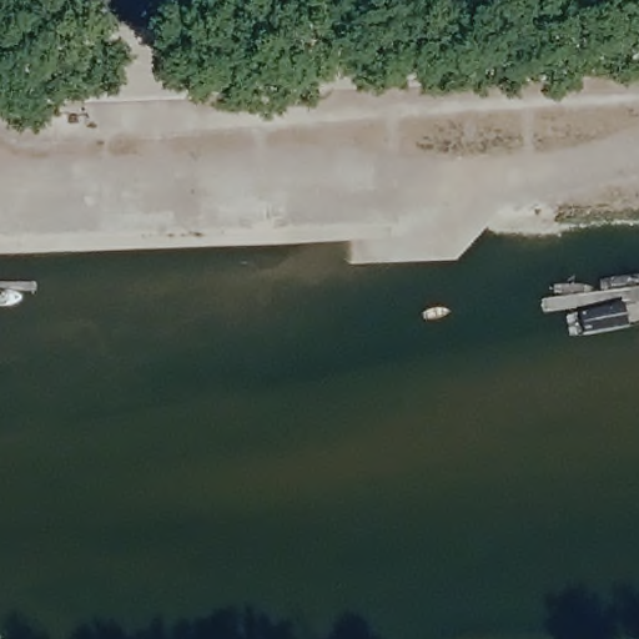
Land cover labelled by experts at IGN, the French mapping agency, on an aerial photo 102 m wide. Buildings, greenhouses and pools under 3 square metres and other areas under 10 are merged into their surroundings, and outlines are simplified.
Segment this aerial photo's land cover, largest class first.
<instances>
[{"label":"water","instance_id":"1","mask_svg":"<svg viewBox=\"0 0 639 639\"><path fill-rule=\"evenodd\" d=\"M0 639H639V225H602L569 230L557 235H512L487 230L472 242V247L459 260L442 262L354 265L349 255V242L342 240L295 245L0 255Z\"/></svg>","mask_w":639,"mask_h":639},{"label":"impervious surface","instance_id":"2","mask_svg":"<svg viewBox=\"0 0 639 639\"><path fill-rule=\"evenodd\" d=\"M100 5L102 20L112 12L122 22L117 30H110V40H122L130 50V62L125 65V82L120 85V90L115 95L62 102L60 115L52 117L40 132L30 127L15 130L0 117V255L295 245L342 240L349 242V255L354 265L442 262L459 260L472 247V242L487 230L512 235H557L569 230L567 222H557L554 217L559 205L564 202H602L609 210H639V85H622L612 77L587 75L582 77L579 92H569L554 100L542 95L547 85L544 75L534 82H527L517 97L504 95L499 87H489L487 97H479L477 92L424 95L417 75H407V90L389 87L384 92H364L357 90L352 77L342 75L320 82V102L315 107L292 105L282 115L265 120L262 115L252 112L217 110V92H210L202 105H195L187 92L162 87V82L152 72L150 45L155 42V32H150L147 27L160 12V5H165L167 0H92Z\"/></svg>","mask_w":639,"mask_h":639},{"label":"deciduous trees","instance_id":"3","mask_svg":"<svg viewBox=\"0 0 639 639\"><path fill-rule=\"evenodd\" d=\"M122 22L112 12L102 20L100 5L92 0H0V117L15 130L30 127L40 132L52 117L60 115L62 102L115 95L120 90V85L125 82V65L130 62V50L122 40H110V30H117ZM150 32H155V42L150 45L152 72L162 82V87L187 92L195 105H202L210 92H217V110L252 112L262 115L265 120L282 115L292 105L315 107L320 102V82L342 75L352 77L357 90L364 92H384L389 87L407 90V75H417L424 95L477 92L479 97H487L489 87H499L504 95L517 97L527 82H534L544 75L547 85L542 95L554 100L569 92H579L582 77L587 75L612 77L622 85H639V0H167L165 5H160V12L147 27Z\"/></svg>","mask_w":639,"mask_h":639},{"label":"brushwood","instance_id":"4","mask_svg":"<svg viewBox=\"0 0 639 639\"><path fill-rule=\"evenodd\" d=\"M554 217L557 222H567L569 230L602 225H639V210H609L602 202H564L559 205Z\"/></svg>","mask_w":639,"mask_h":639}]
</instances>
